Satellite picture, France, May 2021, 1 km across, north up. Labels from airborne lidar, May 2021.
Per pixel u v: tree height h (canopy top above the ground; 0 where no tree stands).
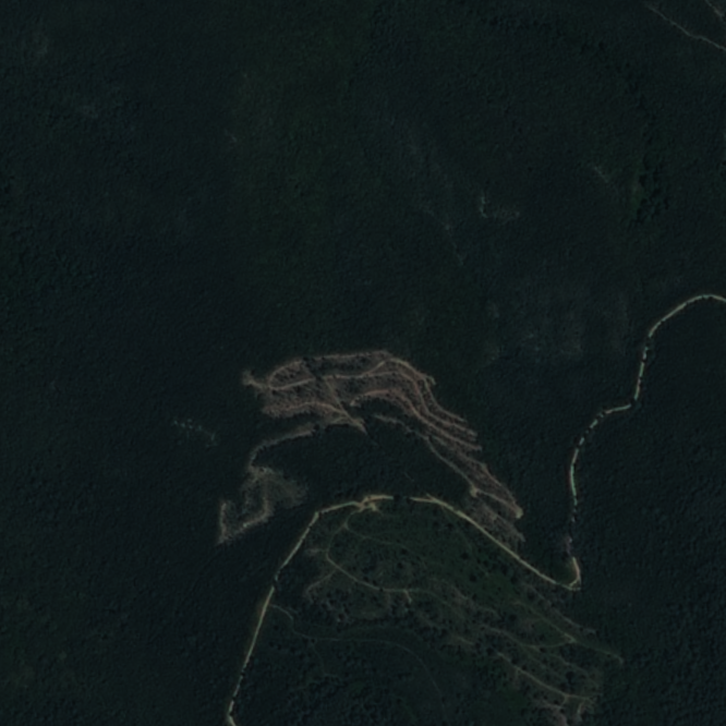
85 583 10
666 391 9
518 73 13
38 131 13
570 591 18
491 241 7
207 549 10
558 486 6
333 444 16
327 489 15
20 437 8
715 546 11
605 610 8
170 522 8
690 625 18
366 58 14
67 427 10
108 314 8
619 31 8
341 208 9
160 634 8
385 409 11
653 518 12
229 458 7
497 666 7
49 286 13
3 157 16
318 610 8
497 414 10
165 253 10
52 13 8
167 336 8
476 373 7
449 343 8
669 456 11
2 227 19
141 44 9
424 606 11
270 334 12
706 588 10
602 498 11
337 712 19
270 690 9
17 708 12
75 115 8
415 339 12
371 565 8
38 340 17
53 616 14
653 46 9
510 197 10
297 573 8
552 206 12
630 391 7
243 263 12
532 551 10
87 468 10
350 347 11
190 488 9
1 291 20
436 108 9
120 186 9
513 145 18
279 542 10
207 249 7
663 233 9
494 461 8
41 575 15
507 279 6
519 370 6
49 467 10
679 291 7
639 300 12
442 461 15
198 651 14
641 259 13
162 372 9
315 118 13
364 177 9
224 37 9
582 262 6
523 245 7
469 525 16
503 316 7
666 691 19
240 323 14
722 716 15
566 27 24
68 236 10
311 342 11
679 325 9
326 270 10
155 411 9
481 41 15
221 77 6
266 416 8
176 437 8
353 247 7
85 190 8
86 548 11
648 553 9
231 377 7
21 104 12
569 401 10
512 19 15
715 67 9
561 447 9
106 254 11
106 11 7
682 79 12
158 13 7
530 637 10
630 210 11
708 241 11
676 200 13
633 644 8
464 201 7
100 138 14
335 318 13
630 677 13
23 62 9
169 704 6
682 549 9
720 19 11
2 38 8
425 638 11
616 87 20
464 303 11
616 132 13
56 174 9
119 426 10
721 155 14
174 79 7
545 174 10
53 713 12
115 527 12
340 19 16
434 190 6
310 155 16
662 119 18
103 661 9
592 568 17
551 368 7
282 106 11
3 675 10
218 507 8
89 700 11
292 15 13
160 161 7
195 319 10
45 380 15
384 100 6
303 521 10
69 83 8
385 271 9
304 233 13
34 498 16
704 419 6
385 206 8
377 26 13
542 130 16
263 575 11
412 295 8
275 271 12
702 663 18
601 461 8
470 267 5
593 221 11
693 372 8
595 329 5
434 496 11
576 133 16
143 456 13
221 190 6
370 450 15
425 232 10
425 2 15
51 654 12
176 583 10
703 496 13
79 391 14
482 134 19
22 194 17
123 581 10
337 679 7
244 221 11
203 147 7
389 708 14
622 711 14
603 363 11
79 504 10
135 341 12
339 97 12
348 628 9
